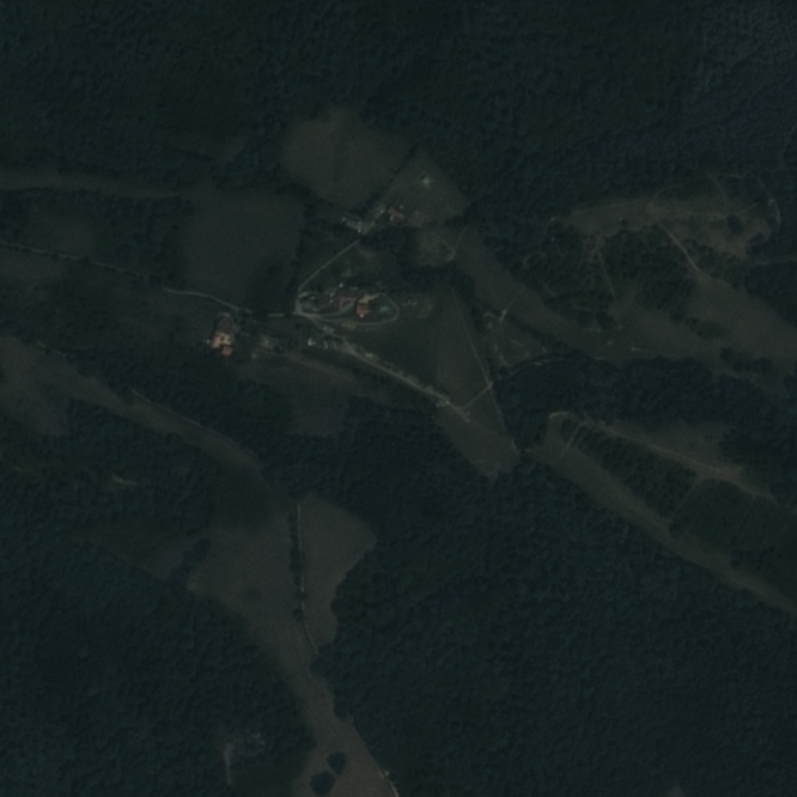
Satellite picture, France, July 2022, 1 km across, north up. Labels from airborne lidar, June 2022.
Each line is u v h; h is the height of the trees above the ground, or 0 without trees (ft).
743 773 63
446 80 19
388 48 35
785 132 67
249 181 38
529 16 60
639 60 85
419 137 67
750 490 0
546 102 79
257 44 29
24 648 83
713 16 54
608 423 47
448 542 79
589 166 76
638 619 79
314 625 0
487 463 0
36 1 92
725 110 72
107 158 81
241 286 0
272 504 0
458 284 74
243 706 54
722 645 76
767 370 72
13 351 0
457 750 86
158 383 68
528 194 74
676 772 60
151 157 83
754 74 66
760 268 20
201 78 42
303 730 41
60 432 0
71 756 75
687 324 17
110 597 72
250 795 0
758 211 0
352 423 53
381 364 0
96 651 80
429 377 0
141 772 71
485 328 24
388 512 30
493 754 111
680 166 73
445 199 0
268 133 76
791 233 55
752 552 27
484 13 50
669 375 59
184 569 45
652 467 31
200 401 43
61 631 89
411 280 71
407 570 96
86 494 39
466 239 0
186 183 56
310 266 0
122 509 71
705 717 67
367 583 50
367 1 31
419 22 43
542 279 27
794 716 74
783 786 64
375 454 27
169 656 33
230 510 0
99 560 74
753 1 82
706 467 0
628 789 52
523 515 88
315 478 84
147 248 57
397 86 62
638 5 59
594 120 103
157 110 41
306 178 0
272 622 0
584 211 0
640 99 87
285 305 0
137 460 64
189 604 56
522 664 52
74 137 89
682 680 63
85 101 85
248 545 0
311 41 26
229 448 0
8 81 67
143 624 35
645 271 27
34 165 31
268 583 0
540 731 80
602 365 62
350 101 97
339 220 0
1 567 50
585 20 66
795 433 94
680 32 87
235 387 0
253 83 18
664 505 29
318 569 0
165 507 57
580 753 78
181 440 55
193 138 0
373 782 0
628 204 0
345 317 0
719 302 0
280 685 33
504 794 91
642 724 60
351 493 32
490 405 0
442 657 59
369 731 51
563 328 0
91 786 68
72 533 56
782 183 63
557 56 89
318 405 0
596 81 100
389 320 0
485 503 55
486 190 40
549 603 86
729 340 0
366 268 0
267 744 70
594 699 43
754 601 81
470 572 60
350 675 65
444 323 0
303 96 79
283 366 0
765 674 76
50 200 19
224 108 22
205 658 61
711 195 0
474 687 87
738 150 79
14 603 29
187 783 82
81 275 0
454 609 95
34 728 26
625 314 0
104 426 60
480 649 68
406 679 78
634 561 34
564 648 76
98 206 30
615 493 0
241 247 0
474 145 72
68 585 95
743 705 68
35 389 0
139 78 78
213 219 0
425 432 24
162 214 74
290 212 0
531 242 77
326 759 0
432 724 102
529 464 48
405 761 62
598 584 64
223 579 0
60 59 79
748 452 33
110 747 81
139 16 27
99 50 82
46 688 87
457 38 21
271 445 44
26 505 76
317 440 52
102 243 0
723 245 0
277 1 37
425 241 0
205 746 78
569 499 60
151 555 0
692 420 66
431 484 40
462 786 82
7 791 83
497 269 0
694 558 0
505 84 29
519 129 84
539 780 77
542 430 63
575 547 80
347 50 63
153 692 60
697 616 88
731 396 90
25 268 0
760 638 75
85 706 69
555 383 36
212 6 78
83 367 51
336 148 0
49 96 100
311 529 0
